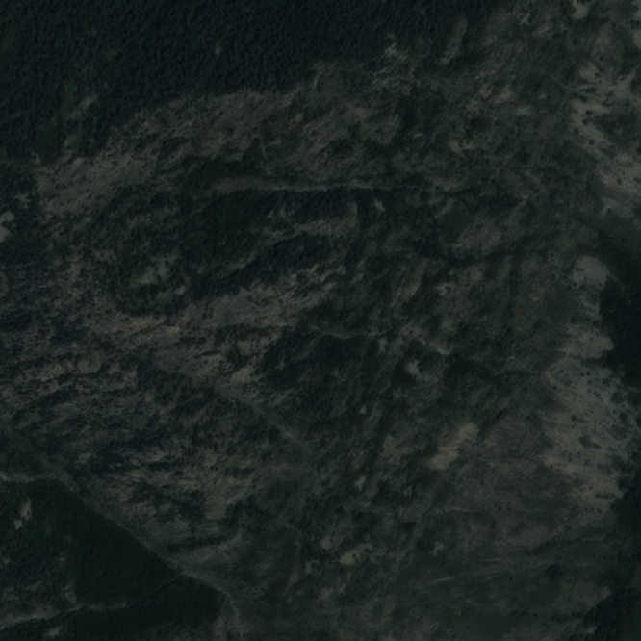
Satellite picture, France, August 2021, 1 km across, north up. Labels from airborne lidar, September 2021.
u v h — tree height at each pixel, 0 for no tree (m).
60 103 11
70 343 9
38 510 10
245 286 9
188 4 24
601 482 0
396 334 6
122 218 7
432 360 9
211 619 7
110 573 10
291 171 6
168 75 9
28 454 6
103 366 8
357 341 10
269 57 13
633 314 14
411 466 7
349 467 6
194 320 7
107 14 13
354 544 8
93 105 8
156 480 8
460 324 8
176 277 8
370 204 10
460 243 12
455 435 0
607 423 0
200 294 8
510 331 10
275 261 17
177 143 11
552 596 0
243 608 0
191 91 10
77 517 12
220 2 18
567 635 0
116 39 13
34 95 10
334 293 7
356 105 6
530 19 7
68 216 9
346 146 11
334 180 6
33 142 8
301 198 10
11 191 12
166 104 8
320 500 6
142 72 14
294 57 18
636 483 7
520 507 0
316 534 7
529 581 0
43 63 12
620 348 15
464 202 6
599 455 0
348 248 7
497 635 0
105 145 6
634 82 11
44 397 6
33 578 8
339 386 7
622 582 7
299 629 0
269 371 8
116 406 7
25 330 6
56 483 6
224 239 9
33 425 7
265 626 0
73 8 10
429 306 12
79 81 10
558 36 9
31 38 10
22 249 8
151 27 8
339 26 27
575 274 0
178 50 11
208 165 15
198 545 8
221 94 8
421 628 0
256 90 8
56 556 7
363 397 9
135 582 13
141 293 9
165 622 11
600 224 0
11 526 8
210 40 15
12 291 9
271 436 9
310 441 12
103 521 10
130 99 9
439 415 7
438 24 22
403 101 9
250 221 12
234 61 27
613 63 6
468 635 0
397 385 8
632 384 17
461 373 6
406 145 7
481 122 13
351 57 11
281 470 0
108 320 7
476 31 5
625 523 7
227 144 8
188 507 6
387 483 7
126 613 12
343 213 8
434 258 6
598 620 17
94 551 13
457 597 0
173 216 6
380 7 22
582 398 0
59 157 7
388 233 8
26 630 10
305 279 8
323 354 13
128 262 6
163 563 11
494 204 11
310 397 6
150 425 7
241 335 10
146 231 12
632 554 5
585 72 0
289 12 28
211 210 15
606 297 7
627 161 0
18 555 11
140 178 16
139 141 6
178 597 9
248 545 0
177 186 7
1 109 9
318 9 24
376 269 7
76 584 7
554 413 0
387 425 9
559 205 9
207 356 9
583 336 0
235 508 8
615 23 9
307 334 6
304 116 7
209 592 8
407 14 19
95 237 9
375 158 14
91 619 11
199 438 6
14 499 7
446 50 7
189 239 7
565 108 11
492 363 7
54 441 7
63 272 6
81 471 6
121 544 11
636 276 7
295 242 9
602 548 0
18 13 8
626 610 7
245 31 16
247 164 9
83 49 9
